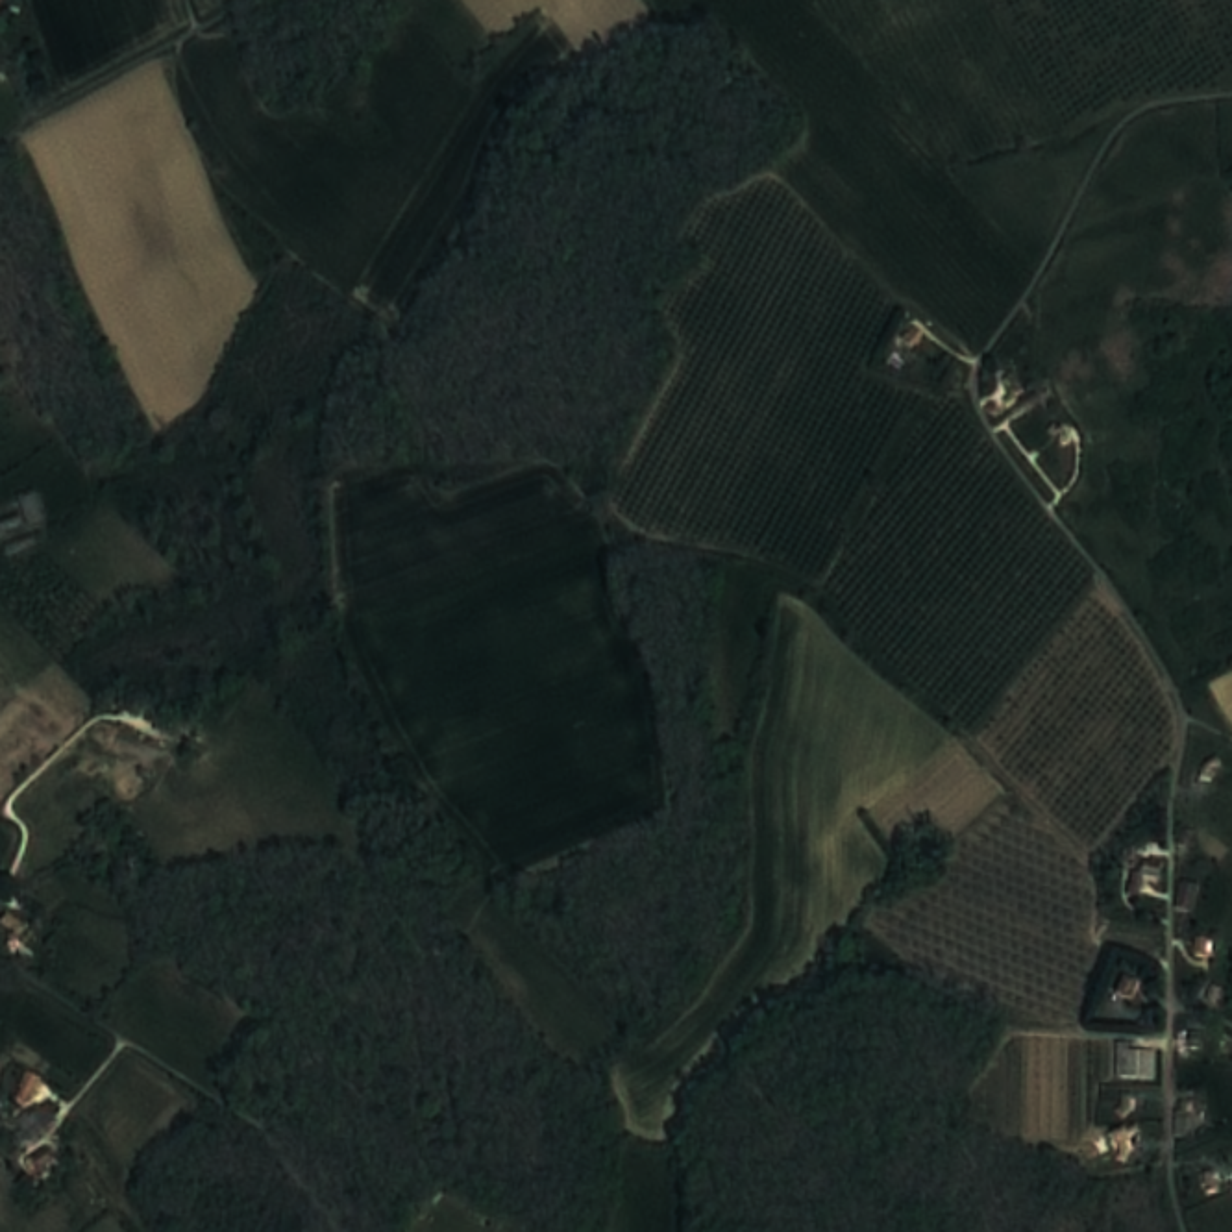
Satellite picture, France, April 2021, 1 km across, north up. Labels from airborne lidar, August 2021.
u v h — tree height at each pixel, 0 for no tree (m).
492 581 0
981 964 6
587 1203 25
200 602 20
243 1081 24
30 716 0
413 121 0
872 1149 19
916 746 0
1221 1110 0
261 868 17
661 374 16
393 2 21
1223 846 0
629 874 20
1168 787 8
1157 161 0
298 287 6
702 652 19
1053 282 0
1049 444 0
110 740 0
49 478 0
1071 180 0
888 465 0
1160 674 0
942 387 8
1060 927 7
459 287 17
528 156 21
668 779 7
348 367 17
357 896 24
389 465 8
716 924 19
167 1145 16
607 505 17
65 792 0
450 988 19
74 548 0
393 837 28
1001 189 0
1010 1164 15
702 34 27
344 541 0
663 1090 0
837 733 0
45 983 12
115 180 0
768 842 0
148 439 19
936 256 0
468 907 0
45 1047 0
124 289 0
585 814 0
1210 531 0
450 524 0
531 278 18
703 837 17
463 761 0
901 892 12
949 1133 18
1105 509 0
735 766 17
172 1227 19
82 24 0
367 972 17
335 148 0
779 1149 20
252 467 16
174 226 0
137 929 15
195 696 19
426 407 18
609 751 0
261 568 25
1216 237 0
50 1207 0
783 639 0
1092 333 0
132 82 0
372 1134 21
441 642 0
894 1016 20
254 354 8
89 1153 0
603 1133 21
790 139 17
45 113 0
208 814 0
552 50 0
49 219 9
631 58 26
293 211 0
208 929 21
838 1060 18
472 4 0
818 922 0
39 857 0
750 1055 26
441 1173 22
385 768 8
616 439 18
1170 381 6
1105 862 12
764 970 0
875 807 0
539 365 22
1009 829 7
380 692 0
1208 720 0
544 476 0
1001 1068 0
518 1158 18
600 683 0
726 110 21
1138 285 0
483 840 0
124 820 13
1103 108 6
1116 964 9
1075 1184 11
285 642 29
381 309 0
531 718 0
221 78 0
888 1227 17
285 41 19
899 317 9
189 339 0
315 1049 25
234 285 0
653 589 24
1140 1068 0
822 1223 21
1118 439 0
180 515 21
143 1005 0
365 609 0
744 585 0
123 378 15
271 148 0
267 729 0
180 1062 0
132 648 6
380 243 0
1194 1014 13
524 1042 20
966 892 6
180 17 0
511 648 0
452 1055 13
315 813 0
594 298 19
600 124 21
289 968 21
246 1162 9
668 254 23
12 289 14
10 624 0
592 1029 0
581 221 19
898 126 0
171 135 0
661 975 18
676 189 23
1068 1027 0
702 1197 24
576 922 23
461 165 0
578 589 0
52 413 19
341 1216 21
